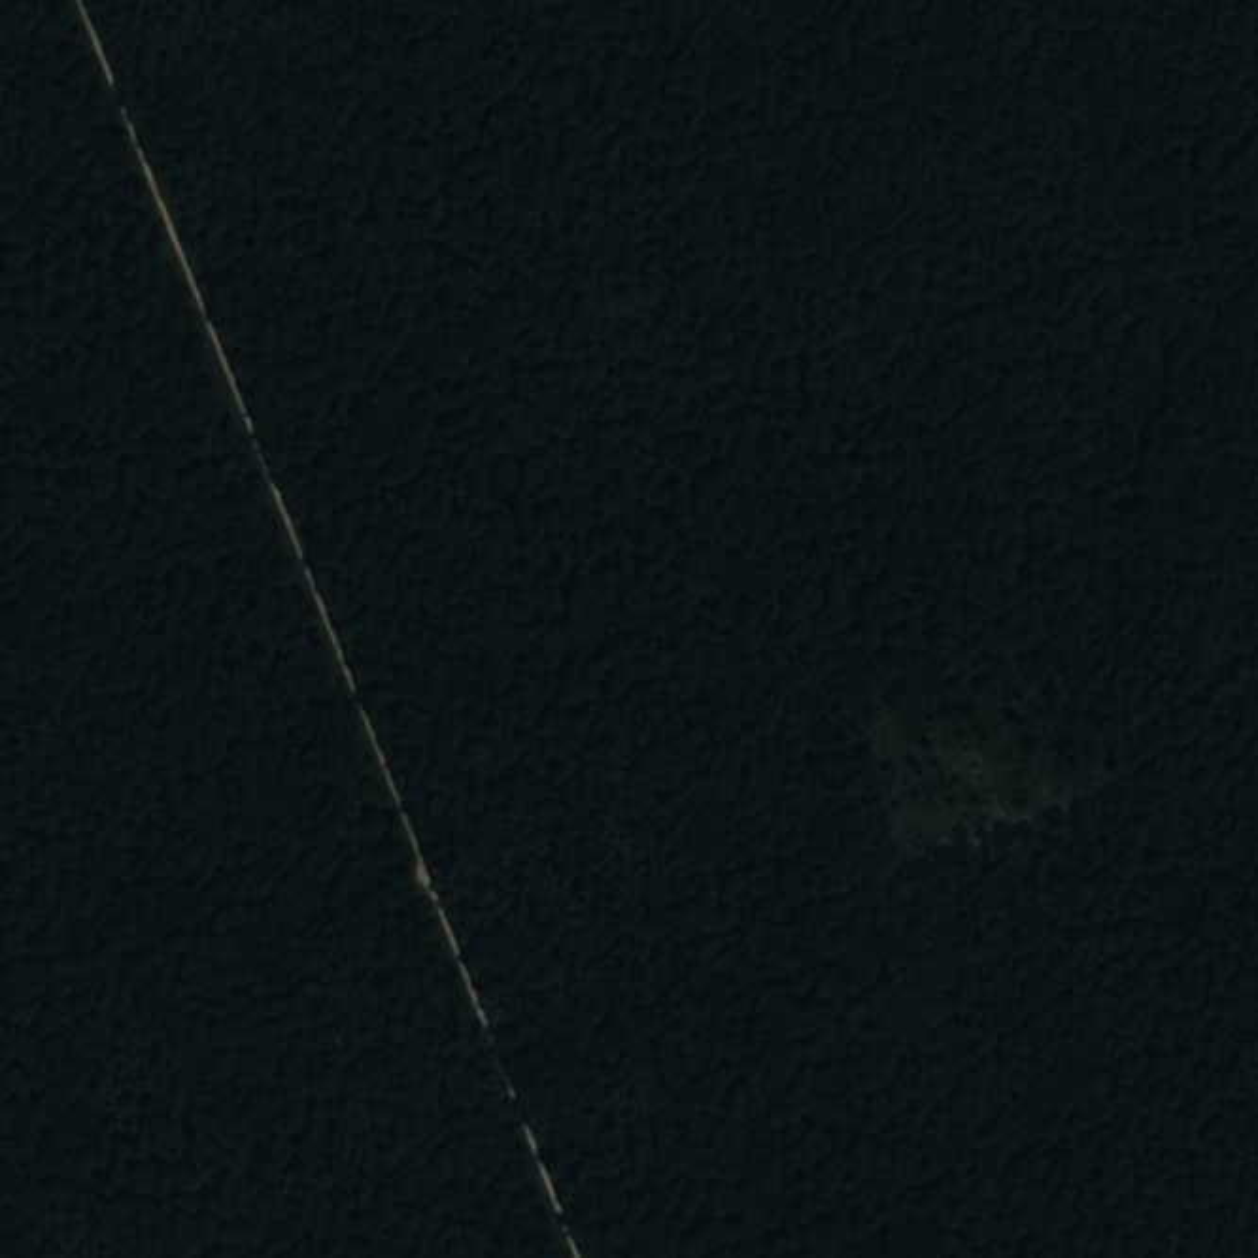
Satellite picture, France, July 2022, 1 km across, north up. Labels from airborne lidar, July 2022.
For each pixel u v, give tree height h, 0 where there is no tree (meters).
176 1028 24
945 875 24
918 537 24
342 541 23
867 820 21
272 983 23
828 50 27
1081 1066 24
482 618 29
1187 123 24
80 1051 25
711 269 25
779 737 20
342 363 22
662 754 22
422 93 25
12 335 29
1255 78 20
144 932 16
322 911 11
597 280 23
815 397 26
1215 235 27
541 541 24
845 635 28
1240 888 19
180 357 24
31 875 13
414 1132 22
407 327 24
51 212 22
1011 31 27
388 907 25
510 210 24
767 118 17
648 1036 17
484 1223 21
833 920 15
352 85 24
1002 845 25
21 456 25
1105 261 19
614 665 25
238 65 30
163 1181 26
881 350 23
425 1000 24
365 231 25
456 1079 25
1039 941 25
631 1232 19
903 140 22
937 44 26
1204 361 24
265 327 24
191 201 24
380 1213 25
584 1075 17
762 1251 25
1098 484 8
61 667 21
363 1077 25
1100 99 19
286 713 25
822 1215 21
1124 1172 20
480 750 25
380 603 17
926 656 24
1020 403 22
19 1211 29
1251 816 15
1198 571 24
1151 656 18
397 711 26
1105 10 25
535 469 26
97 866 24
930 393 21
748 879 22
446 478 12
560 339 24
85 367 27
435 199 28
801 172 26
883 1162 19
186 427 20
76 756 22
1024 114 26
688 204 13
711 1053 26
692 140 16
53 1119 23
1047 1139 20
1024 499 20
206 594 25
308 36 22
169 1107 28
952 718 13
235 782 22
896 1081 22
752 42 24
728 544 7
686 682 25
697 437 27
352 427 22
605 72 23
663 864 23
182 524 19
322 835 24
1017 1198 21
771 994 23
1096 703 9
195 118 20
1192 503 18
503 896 28
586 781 25
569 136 27
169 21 23
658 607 26
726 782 20
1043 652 24
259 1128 24
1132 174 24
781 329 18
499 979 20
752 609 25
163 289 27
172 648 21
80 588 29
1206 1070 20
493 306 23
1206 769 21
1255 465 22
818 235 27
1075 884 23
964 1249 21
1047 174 22
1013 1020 19
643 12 25
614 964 20
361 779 24
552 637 24
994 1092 23
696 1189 24
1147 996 19
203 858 20
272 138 20
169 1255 27
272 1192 29
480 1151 25
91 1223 25
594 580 23
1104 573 20
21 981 21
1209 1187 22
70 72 20
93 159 24
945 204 22
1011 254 18
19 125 17
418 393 24
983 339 24
